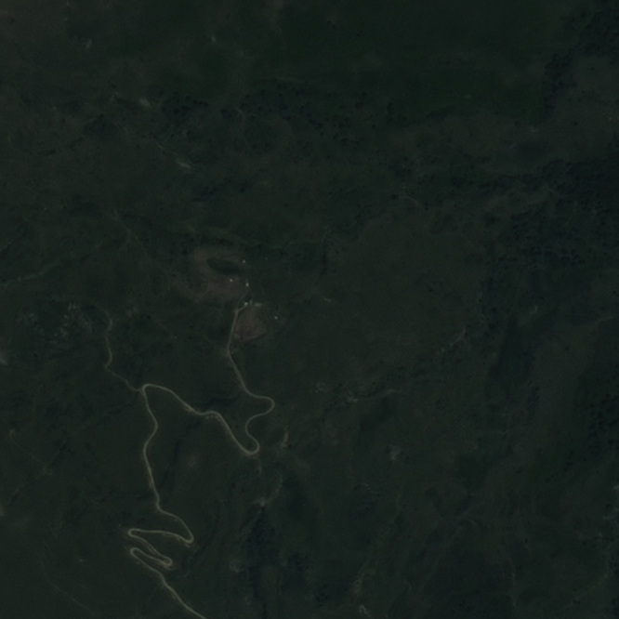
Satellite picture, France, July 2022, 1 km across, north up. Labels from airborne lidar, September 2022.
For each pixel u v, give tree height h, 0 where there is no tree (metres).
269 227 0
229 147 0
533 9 0
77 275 0
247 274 0
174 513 0
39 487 0
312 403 0
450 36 0
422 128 0
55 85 0
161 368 0
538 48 0
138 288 0
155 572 0
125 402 0
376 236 0
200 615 0
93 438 0
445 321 0
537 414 0
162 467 0
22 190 0
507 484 0
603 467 0
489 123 0
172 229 0
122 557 0
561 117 0
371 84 0
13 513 0
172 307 0
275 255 0
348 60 0
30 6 0
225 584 0
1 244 0
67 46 0
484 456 0
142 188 0
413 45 0
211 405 0
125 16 0
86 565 0
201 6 0
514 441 0
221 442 0
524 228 6
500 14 0
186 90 0
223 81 0
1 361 0
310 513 0
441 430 0
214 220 0
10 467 0
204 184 0
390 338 0
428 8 0
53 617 0
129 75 0
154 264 0
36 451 0
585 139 0
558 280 0
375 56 0
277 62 0
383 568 0
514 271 0
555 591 0
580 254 8
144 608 0
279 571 0
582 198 14
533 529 0
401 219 0
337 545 0
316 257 0
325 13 0
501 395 0
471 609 8
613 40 6
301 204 0
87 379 0
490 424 0
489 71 0
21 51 0
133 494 0
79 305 0
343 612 0
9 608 0
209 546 0
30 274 0
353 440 0
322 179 0
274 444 0
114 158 0
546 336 0
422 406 0
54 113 0
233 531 0
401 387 0
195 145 0
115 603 0
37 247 0
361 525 0
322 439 0
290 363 0
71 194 0
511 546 0
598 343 0
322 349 0
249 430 0
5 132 0
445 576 0
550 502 0
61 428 0
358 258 0
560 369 0
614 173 10
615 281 0
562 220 8
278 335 0
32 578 0
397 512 0
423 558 0
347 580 0
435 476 0
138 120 0
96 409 0
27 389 0
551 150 0
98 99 0
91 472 0
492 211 0
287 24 0
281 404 0
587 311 0
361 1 0
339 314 0
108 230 0
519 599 0
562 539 0
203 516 0
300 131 0
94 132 0
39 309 0
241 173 0
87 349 0
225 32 0
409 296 0
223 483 0
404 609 0
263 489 0
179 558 0
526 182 8
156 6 0
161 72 0
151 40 0
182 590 0
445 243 0
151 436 0
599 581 0
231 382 0
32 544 0
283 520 0
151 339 0
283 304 0
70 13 0
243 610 0
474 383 0
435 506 0
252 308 0
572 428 0
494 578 0
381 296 0
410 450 0
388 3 0
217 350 0
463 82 0
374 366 0
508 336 0
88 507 0
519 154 0
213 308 0
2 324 0
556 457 0
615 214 7
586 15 6
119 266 0
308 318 0
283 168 0
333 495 0
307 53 0
